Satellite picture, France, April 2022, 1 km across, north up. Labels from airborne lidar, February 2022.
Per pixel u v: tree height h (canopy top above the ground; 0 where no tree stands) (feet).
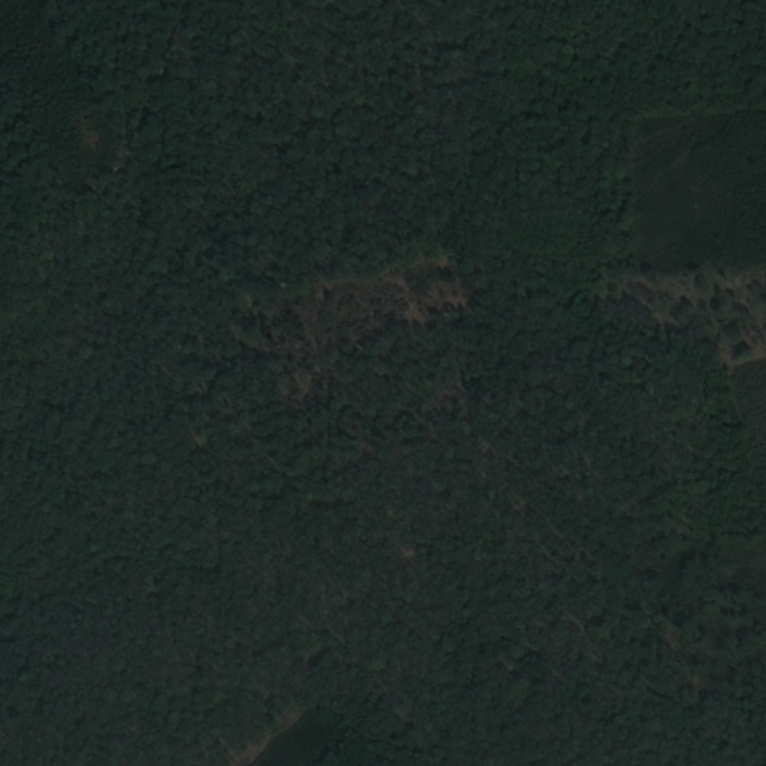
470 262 95
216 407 82
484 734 96
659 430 100
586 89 77
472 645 77
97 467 99
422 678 89
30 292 93
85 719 91
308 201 98
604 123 93
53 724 90
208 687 83
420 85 88
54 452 86
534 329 95
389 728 83
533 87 104
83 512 90
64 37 84
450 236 77
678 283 0
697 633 108
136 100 90
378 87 83
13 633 78
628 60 85
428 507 93
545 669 87
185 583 85
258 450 80
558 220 95
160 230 95
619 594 96
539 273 99
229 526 102
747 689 96
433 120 97
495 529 86
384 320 26
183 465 95
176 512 98
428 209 96
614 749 56
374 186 92
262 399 84
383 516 81
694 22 97
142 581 103
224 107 88
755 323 78
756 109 54
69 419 78
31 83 25
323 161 96
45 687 82
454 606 86
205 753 89
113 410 93
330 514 84
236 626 88
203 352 98
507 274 102
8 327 87
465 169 98
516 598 80
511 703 90
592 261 62
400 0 84
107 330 93
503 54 81
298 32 94
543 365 103
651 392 91
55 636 88
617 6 96
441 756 92
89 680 81
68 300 92
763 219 26
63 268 93
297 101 97
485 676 90
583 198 94
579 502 93
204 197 101
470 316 89
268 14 94
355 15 91
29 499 60
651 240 0
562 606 94
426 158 100
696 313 102
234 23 83
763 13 80
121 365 86
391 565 85
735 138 27
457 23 98
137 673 83
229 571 78
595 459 97
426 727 90
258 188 86
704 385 90
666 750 93
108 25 53
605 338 89
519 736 70
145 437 103
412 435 89
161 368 97
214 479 92
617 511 100
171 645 95
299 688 90
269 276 46
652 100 85
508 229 92
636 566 109
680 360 102
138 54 84
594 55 96
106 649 92
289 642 61
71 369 103
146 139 90
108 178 86
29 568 56
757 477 28
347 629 89
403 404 82
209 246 97
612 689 77
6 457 81
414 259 94
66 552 85
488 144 98
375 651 90
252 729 83
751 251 24
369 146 98
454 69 89
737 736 101
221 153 93
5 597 45
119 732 82
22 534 73
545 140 106
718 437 94
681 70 88
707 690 0
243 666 88
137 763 83
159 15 94
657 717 94
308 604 81
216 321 92
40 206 90
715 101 82
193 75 89
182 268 96
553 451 94
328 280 86
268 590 97
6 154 94
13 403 104
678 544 91
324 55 55
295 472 90
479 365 89
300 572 81
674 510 104
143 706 81
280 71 92
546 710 96
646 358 103
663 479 99
